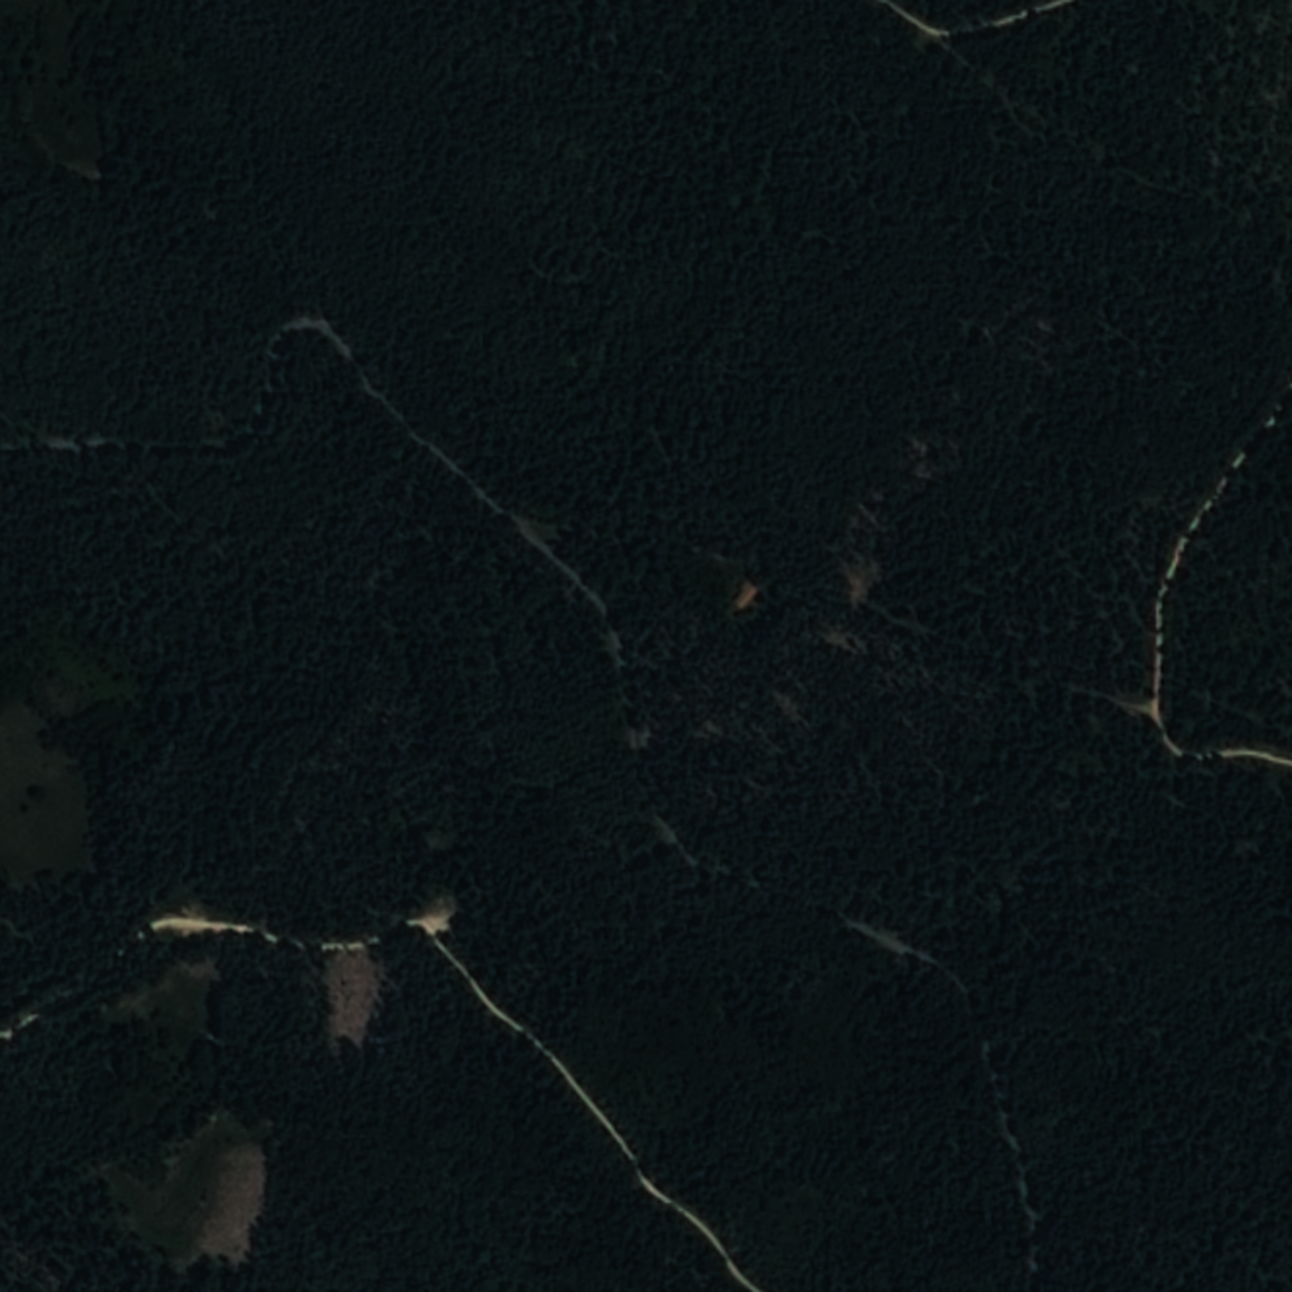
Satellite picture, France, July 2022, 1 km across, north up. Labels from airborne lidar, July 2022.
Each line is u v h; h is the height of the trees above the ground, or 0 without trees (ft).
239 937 72
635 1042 39
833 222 64
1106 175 25
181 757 97
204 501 71
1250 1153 30
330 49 61
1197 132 32
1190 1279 41
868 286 69
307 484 70
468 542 59
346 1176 34
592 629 69
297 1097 44
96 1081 64
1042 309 61
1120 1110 49
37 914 65
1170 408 49
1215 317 63
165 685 73
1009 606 55
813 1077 40
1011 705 59
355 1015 0
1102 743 38
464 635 83
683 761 72
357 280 43
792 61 60
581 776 81
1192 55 28
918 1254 60
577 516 37
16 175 76
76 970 67
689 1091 41
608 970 42
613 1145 58
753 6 51
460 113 58
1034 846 85
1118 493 55
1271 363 46
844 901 76
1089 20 38
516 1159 56
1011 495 59
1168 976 66
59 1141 64
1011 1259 76
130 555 58
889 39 60
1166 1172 74
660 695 69
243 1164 0
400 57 68
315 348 55
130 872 51
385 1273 62
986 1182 70
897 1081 46
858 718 64
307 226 59
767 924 76
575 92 59
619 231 52
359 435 68
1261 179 56
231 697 71
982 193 39
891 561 62
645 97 25
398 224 51
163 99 33
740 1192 71
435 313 60
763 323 57
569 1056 73
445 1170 52
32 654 37
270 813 66
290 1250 74
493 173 53
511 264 44
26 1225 79
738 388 67
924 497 58
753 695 83
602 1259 51
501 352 62
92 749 43
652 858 70
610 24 73
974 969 79
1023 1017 74
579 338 69
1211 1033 65
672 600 70
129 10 41
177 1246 0
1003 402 63
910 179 64
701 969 75
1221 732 42
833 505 71
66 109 20
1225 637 47
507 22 37
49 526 63
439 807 100
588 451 55
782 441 67
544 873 51
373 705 83
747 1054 38
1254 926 73
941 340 62
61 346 52
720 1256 72
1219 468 42
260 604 67
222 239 72
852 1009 47
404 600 56
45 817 0
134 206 76
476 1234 71
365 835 55
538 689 85
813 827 72
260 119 66
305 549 63
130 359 66
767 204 46
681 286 43
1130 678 41
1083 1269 79
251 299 76
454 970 63
